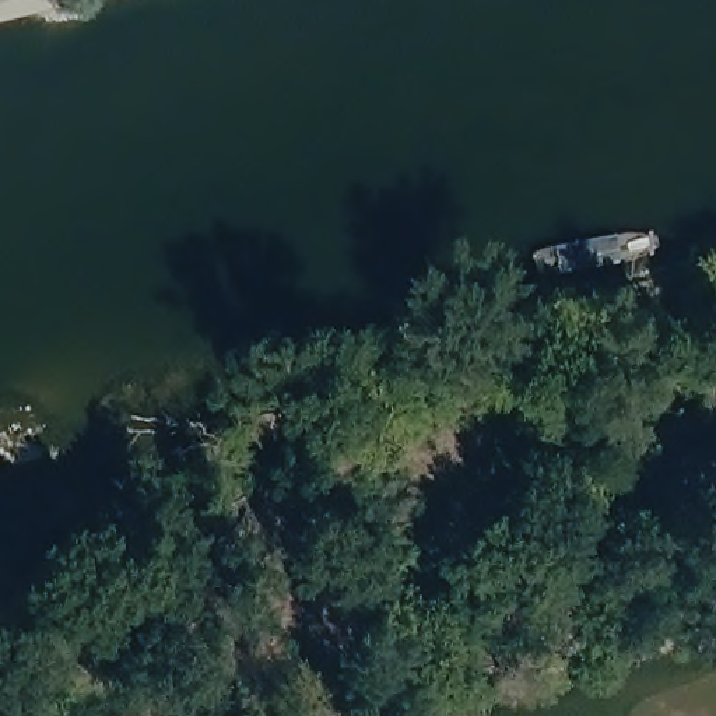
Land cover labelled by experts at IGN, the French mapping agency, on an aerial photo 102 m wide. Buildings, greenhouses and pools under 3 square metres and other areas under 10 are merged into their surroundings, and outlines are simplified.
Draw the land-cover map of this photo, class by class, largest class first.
<instances>
[{"label":"water","instance_id":"1","mask_svg":"<svg viewBox=\"0 0 716 716\"><path fill-rule=\"evenodd\" d=\"M498 243V249L503 246L515 252L517 269H523V282L534 285L529 296L517 294V299L512 302V313H520L523 319H529L531 313H537V308L554 299L607 294L610 299H615V294L624 288L627 296L635 299L638 308L646 310L654 322L660 316L696 319L708 322L716 330V0H106L92 20H73L53 22L42 17H17L0 22V629H36L31 590L42 587L56 576L48 565V551L70 548L73 537H78L81 531L106 529L101 515L112 509L115 484L131 473V467L143 464V459H159L162 475H176L182 470H190L204 456V445H215L224 431L235 428L232 414L210 408L213 394L221 386L232 383L227 372L229 352L246 355L255 344H260L269 352L277 344H308L310 336L319 330L361 333L400 327L406 322V313L411 310L408 299L414 285L428 277V271H439L456 255L459 246L473 249ZM489 716H716V663H680L663 654L657 660L632 666L627 682L613 696L568 691L554 705H495Z\"/></svg>","mask_w":716,"mask_h":716},{"label":"deciduous trees","instance_id":"2","mask_svg":"<svg viewBox=\"0 0 716 716\"><path fill-rule=\"evenodd\" d=\"M534 285L523 282V269H517L515 252L503 246L498 249V243L473 249L459 246L456 255L439 271H428V277L414 285L408 299L411 310L406 313V322L400 327L361 333L319 330L310 336L308 344H277L269 352L260 344H255L246 355L229 352L227 372L232 383L221 386L213 394L210 408L232 414L235 428L224 431L215 445H204V456L190 470H182L176 475H162L159 459H143V464L131 467V473L115 484L112 509L101 515L106 529L81 531L78 537H73L70 548L48 551V565L56 576L42 587L31 590L36 629H0V716H489L495 705H554L568 691L613 696L627 682L632 666L657 660L663 654L680 663H716V467L699 464L696 470H688L680 498H657L652 512H640L627 492H632L638 484L643 456L663 453V445L654 431L663 414L682 417L688 397H699L705 408L716 406V330L708 322L696 319L660 316L654 322L646 310L638 308L635 299L627 296L624 288L615 294V299H610L607 294L554 299L537 308V313H531L529 319H523L520 313H512V302L517 299V294L529 296ZM266 411H271L274 420L285 417V434L277 436L285 461L274 470V501H310L327 495L336 484H344L352 487L358 501V512L350 520H338L336 512L316 515L310 517L302 534L282 531L280 543H266L263 529L246 531L229 523L238 506L246 503L255 492L252 445L269 425L263 420ZM506 411H520L540 428V439L531 448L537 459L526 464L520 473L503 478L498 492L487 495L478 517L470 520L467 529L456 537L450 554L445 548L425 543L417 548V543L408 540L406 531L411 529V517L425 515V495L420 489V481L408 473L403 450L414 442L422 450H428L431 459L445 456L436 445L442 428H450L459 436V431L470 428L487 414ZM414 571L420 576H431L439 571V576L450 582V590L439 593L436 599H425L414 585ZM291 585L299 590V599L305 601H313L322 590L338 587V610H364L369 615L372 627L364 635V646L355 652L352 660L341 657L344 671H330L327 677H319L302 657L299 640L291 632ZM238 640H249L257 654L280 657L285 663L288 682L280 685L277 696L260 699L249 691L246 680L238 674Z\"/></svg>","mask_w":716,"mask_h":716},{"label":"herbaceous vegetation","instance_id":"3","mask_svg":"<svg viewBox=\"0 0 716 716\"><path fill-rule=\"evenodd\" d=\"M663 445V453L643 456L638 484L632 492H627L640 512H652L657 498H680L688 470H696L699 464L716 467V406L705 408L699 397H688L682 417L663 414L654 431ZM263 420L269 425L252 445L255 492L246 503L238 506L229 523L246 531L263 529L266 543H280L282 531L302 534L310 517L316 515L336 512L338 520H350L358 512V501L352 487L344 484H336L327 495L310 501H274V470L285 461L277 436L285 434V417L274 420L271 411H266ZM540 439V428L520 411H506L487 414L470 428L459 431V436L450 428H442L436 445L445 456L431 459L428 450H422L414 442L403 450L408 473L420 481V489L425 495V515L411 517V529L406 531L408 540L417 543V548L425 543L445 548L450 554L456 537L467 529L470 520L478 517L487 495L498 492L503 478L520 473L526 464L537 459L531 448ZM414 585L425 599H436L439 593L450 590V582L439 576V571L431 576H420L414 571ZM338 587L322 590L313 601H305L299 599V590L291 585V632L299 640L302 657L319 677H327L330 671H344L341 657L352 660L355 652L364 646V635L372 627L369 615L364 610H338ZM238 674L246 680L249 691L260 699L277 696L280 685L288 682L285 663L280 657L257 654L249 640H238Z\"/></svg>","mask_w":716,"mask_h":716},{"label":"impervious surface","instance_id":"4","mask_svg":"<svg viewBox=\"0 0 716 716\"><path fill-rule=\"evenodd\" d=\"M17 17H42L53 22L73 20L70 11H62L56 6V0H0V22Z\"/></svg>","mask_w":716,"mask_h":716},{"label":"brushwood","instance_id":"5","mask_svg":"<svg viewBox=\"0 0 716 716\"><path fill-rule=\"evenodd\" d=\"M106 0H56V6L62 11H70L73 20H92Z\"/></svg>","mask_w":716,"mask_h":716}]
</instances>
